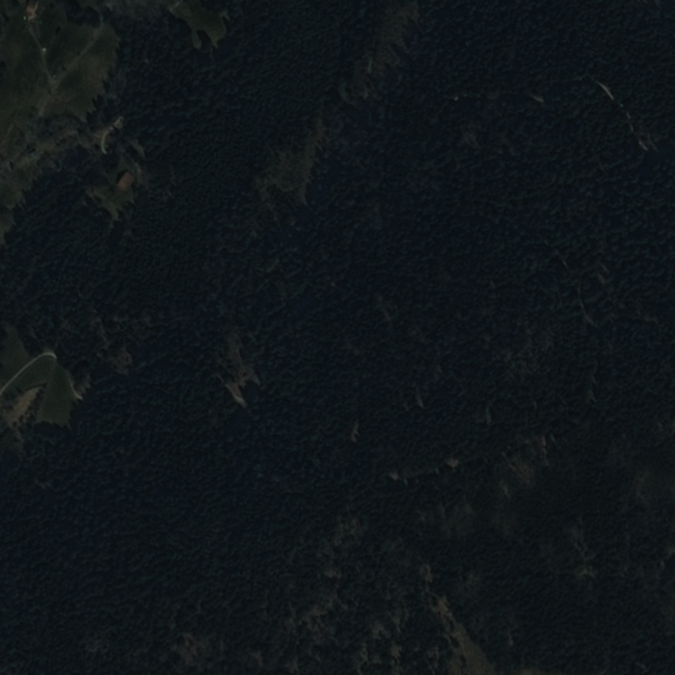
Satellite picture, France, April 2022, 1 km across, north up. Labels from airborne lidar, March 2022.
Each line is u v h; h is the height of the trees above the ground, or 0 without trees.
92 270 34
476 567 24
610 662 28
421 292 26
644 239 32
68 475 26
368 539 27
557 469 18
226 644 17
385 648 18
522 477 21
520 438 12
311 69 28
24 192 0
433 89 21
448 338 17
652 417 20
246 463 29
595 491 21
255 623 19
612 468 26
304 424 23
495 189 31
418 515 20
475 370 22
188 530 13
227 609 23
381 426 8
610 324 15
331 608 7
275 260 34
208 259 24
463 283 15
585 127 24
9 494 23
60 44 0
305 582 20
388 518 26
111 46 0
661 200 32
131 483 26
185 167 17
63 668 22
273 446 23
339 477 23
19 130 0
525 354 13
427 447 26
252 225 19
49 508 31
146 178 18
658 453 18
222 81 26
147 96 35
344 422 19
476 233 21
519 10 36
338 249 25
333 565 19
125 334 6
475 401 15
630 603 29
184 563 23
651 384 13
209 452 24
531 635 26
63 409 0
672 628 30
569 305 17
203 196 20
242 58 30
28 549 28
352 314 28
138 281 16
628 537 21
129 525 19
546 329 21
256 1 35
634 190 39
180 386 22
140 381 26
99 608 23
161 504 24
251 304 26
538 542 15
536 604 23
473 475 22
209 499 19
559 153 23
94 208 23
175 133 19
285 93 29
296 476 16
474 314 11
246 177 17
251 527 11
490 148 26
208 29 0
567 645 31
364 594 15
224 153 17
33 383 0
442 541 26
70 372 18
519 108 21
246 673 21
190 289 16
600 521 20
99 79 0
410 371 16
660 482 22
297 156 28
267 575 22
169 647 22
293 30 29
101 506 28
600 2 21
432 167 16
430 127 20
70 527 33
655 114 29
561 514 21
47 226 23
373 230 21
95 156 18
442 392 23
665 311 19
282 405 23
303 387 26
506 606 32
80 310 28
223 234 24
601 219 25
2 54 15
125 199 0
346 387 20
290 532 20
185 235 18
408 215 17
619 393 22
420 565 18
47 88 0
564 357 21
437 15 26
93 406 26
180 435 30
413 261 25
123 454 9
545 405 26
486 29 32
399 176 18
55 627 17
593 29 27
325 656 18
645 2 0
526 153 22
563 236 27
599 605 27
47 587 30
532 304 20
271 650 22
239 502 17
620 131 26
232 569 7
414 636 23
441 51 15
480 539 21
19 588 22
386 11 31
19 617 12
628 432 19
